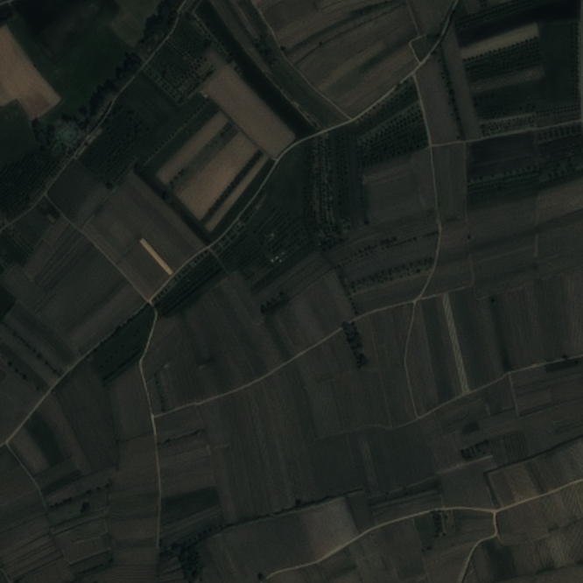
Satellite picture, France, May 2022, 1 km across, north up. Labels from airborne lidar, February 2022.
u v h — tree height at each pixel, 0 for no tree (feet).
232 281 0
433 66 0
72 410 0
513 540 0
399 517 0
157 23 72
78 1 0
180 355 0
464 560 0
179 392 0
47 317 0
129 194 0
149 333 0
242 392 0
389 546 0
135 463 0
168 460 0
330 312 0
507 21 0
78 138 0
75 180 0
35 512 0
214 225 0
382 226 0
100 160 0
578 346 0
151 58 0
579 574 0
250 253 0
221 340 0
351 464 0
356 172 0
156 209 0
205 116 0
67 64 0
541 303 0
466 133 0
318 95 0
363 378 0
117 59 0
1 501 0
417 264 0
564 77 0
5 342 0
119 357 0
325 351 0
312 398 0
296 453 0
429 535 0
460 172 0
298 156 0
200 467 0
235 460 0
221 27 0
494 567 0
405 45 0
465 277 0
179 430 0
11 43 0
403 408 0
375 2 0
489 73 0
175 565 0
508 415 0
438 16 0
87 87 0
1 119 0
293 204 0
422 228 0
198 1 0
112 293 0
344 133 0
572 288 0
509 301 0
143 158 0
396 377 0
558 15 0
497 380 0
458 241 0
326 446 0
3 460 0
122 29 0
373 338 0
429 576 0
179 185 0
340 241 24
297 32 0
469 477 0
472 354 0
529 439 0
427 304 0
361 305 0
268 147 0
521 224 0
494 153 0
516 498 0
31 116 0
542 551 0
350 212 0
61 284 0
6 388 0
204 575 0
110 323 0
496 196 0
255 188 0
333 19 0
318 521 0
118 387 0
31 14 0
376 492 0
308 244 0
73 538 0
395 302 0
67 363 0
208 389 0
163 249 0
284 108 0
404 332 0
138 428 0
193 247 0
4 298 0
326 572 0
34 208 0
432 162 0
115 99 0
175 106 0
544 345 0
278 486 0
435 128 0
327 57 0
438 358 0
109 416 0
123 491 0
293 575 0
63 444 0
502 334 0
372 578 0
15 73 0
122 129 0
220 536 0
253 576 0
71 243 0
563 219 0
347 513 0
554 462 0
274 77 0
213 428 0
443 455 0
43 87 0
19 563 0
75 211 0
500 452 0
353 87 0
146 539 0
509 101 0
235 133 0
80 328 0
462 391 0
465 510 0
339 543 0
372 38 0
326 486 0
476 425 0
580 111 0
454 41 0
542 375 0
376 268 0
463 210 0
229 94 0
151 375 0
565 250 0
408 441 0
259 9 0
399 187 0
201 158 0
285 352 0
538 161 0
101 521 0
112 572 0
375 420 0
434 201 0
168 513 0
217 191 0
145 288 0
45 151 41
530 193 0
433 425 0
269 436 0
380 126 0
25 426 0
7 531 0
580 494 0
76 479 0
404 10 0
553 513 0
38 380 0
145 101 0
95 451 0
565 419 0
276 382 0
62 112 0
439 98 0
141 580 0
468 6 0
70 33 0
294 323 0
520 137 0
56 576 0
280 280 0
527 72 0
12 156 0
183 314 0
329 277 0
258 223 0
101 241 0
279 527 0
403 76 0
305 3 0
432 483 0
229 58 20
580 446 0
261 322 0
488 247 0
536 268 0
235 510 0
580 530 0
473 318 0
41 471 0
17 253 0
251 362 0
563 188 0
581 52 0
